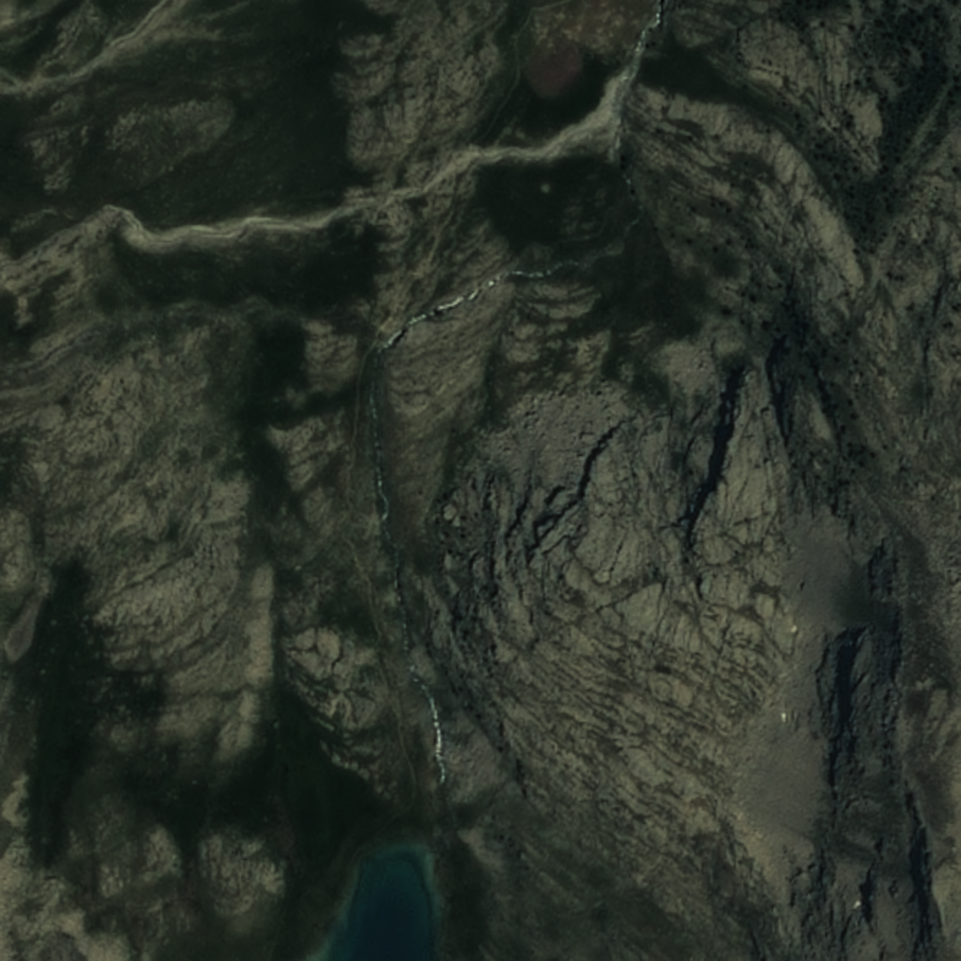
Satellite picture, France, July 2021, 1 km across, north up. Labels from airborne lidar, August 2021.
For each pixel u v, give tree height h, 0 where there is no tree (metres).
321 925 0
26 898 0
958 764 0
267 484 0
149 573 0
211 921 0
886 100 7
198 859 0
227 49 0
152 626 0
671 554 0
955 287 0
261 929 0
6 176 0
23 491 0
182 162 0
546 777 0
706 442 0
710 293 0
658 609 0
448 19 0
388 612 0
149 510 0
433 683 0
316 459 0
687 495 0
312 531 0
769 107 0
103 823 0
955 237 0
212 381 0
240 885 0
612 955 0
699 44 0
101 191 0
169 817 0
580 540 0
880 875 0
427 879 0
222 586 0
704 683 0
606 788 0
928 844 0
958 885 0
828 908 0
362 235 0
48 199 0
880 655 0
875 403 0
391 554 0
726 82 0
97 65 0
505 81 0
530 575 0
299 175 0
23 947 0
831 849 0
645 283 0
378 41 0
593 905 0
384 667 0
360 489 0
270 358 0
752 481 0
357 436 0
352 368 0
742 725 0
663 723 0
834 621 0
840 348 0
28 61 0
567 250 0
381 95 0
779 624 0
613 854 0
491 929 0
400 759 0
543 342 0
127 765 0
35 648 0
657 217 0
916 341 0
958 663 0
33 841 0
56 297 0
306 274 0
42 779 0
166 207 0
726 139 0
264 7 0
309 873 0
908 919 0
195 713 0
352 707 0
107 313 0
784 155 0
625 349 0
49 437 0
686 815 0
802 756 0
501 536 0
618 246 0
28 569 0
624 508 0
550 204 0
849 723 0
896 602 0
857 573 0
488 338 0
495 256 0
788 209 0
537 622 0
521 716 0
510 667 0
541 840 0
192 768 0
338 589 0
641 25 0
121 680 0
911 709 0
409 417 0
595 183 0
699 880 0
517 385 0
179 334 0
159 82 0
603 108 0
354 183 0
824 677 0
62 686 0
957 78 8
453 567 0
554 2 0
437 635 0
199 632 0
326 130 0
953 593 0
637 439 0
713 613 0
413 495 0
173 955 0
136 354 0
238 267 0
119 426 0
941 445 0
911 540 0
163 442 0
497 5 0
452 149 0
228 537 0
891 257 0
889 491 0
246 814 0
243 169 0
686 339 0
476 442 0
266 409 0
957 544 0
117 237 0
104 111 0
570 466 0
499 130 0
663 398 0
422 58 0
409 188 0
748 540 0
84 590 0
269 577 0
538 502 0
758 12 0
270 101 0
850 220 7
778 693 0
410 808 0
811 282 0
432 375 0
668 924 0
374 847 0
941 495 0
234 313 0
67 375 0
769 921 0
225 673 0
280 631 0
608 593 0
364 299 0
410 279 0
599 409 0
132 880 0
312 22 0
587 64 0
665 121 0
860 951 0
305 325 0
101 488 0
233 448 0
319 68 0
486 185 0
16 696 0
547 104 0
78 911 0
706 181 0
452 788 0
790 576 0
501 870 0
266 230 0
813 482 0
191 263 0
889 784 0
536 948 0
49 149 0
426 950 0
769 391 0
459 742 0
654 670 0
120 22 0
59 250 0
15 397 0
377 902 0
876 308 0
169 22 0
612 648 0
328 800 0
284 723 0
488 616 0
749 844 0
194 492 0
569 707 0
